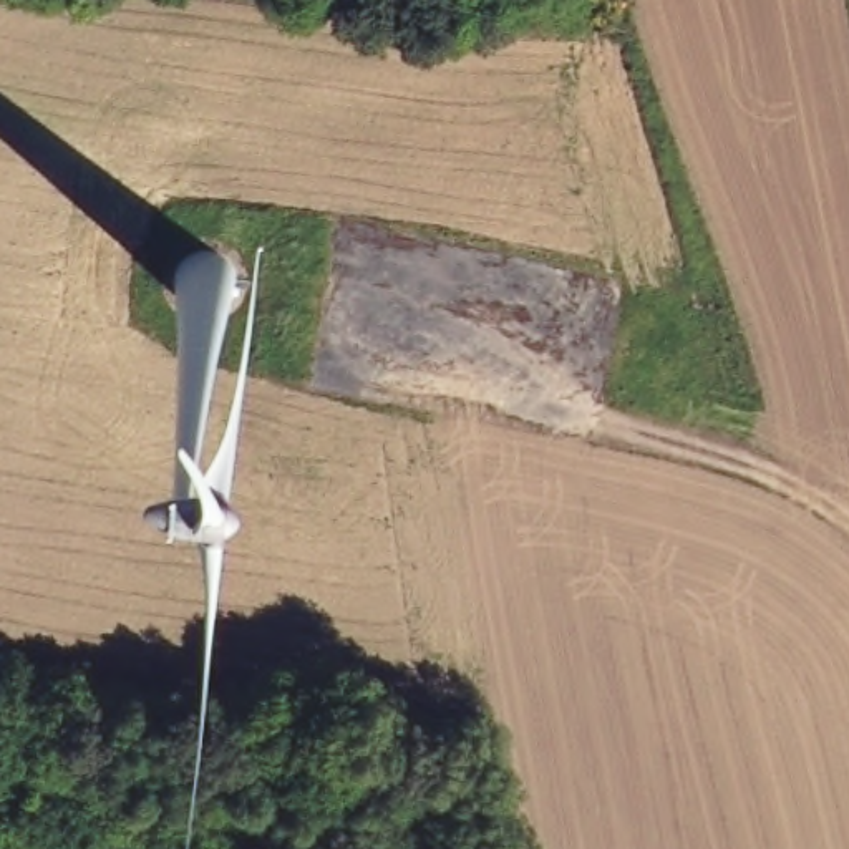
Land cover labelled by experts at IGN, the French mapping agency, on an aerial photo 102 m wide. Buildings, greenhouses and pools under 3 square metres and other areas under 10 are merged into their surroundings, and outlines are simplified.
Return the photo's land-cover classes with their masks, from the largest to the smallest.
<instances>
[{"label":"agricultural land","instance_id":"1","mask_svg":"<svg viewBox=\"0 0 849 849\"><path fill-rule=\"evenodd\" d=\"M637 36L647 53L653 83L660 90V103L673 129L680 159L686 166V179L713 235L730 285V298L736 305V318L743 325L763 391V408L756 411L753 438H746L743 448L759 461L750 474H736L716 464L663 454L594 431H587V448H580L464 418L431 425L345 408L325 398H308L269 378H249L219 368V378L206 375L202 385L196 448L192 454L182 451L176 441L179 361L129 322L133 262L146 269L163 289H172L179 265L199 255L202 245V239L166 219L159 202L242 199L315 212H358L448 226L474 235H491L511 245H534L597 259L604 262V279L617 282L620 295L630 289L660 285L657 269H667L677 255V239L670 229L653 156L643 136V123L637 113V99L620 63V50L610 40L521 36L484 56L468 53L448 60L434 66H411L401 60L398 50L361 56L352 43H342L332 33V23L302 36L282 33L275 20L265 17L255 3L239 0H119L113 10L99 13L96 23H76L66 13L43 17L27 10H7L0 3V686L13 670L30 663L33 703L56 680L83 673L106 720L123 726L126 720L143 716L146 730L156 740H169L176 726L189 723L199 713V706H209V700L219 703L226 723L242 730L262 710V703H272L275 696L295 700L305 686H335V677L352 670L361 673L368 683L378 680L398 700L401 716H411L425 726L431 753L438 746L461 743V733L491 710L497 726H504L507 733V766L517 786L524 789L517 816L534 829L541 849H849V0H637Z\"/></svg>","mask_w":849,"mask_h":849},{"label":"deciduous trees","instance_id":"2","mask_svg":"<svg viewBox=\"0 0 849 849\"><path fill-rule=\"evenodd\" d=\"M0 3L7 10H27L43 17L66 13L76 23H96L99 13L113 10L119 0H0ZM255 3L265 17L275 20L282 33L302 36L332 23V33L342 43H352L361 56L398 50L401 60L411 66H434L448 60L444 53L451 50L464 23H478L481 13H491L497 20L504 10H527L544 0H239ZM30 663L13 670L0 686V849H541L534 829L517 816L524 789L517 786L507 766V733L504 726H497L491 710L461 733V743L438 746L431 753L425 726L411 716H401L398 700L378 680L368 683L361 673L352 670L335 677V686H305L295 700L275 696L272 703H262V710L242 730L226 723L219 703L209 700V706H199V713L189 723L176 726L169 740H156L146 730L143 716L126 720L123 726L106 720L83 673L56 680L33 703Z\"/></svg>","mask_w":849,"mask_h":849},{"label":"herbaceous vegetation","instance_id":"3","mask_svg":"<svg viewBox=\"0 0 849 849\"><path fill-rule=\"evenodd\" d=\"M637 0H544L527 10H504L497 20L491 13H481L478 23H464L451 50L444 53L448 60L468 53L484 56L521 36L610 40L620 50V63L637 99V113L643 123V136L653 156L670 229L677 239V255L667 269H657L660 285L630 289L620 295V325L614 335L610 378L604 381L600 405L743 448L746 438H753L756 411L763 408V391L743 325L736 318V305L730 298V285L713 235L686 179V166L680 159L673 129L660 103V90L653 83L647 53L637 36ZM166 219L202 239V245L199 255L179 265L172 289H163L146 269L133 262L129 322L179 361L176 441L182 451L192 454L196 448L202 385L206 375L219 378V368L249 378H269L308 398H325L345 408L431 425V411L425 408L352 398L325 391L312 381L332 245L338 252L371 245L398 252H438L441 245H454L468 252H497L507 259H531L564 269L584 289L590 279H604V262L597 259L534 245H511L491 235H474L448 226L358 212H315L242 199L159 202Z\"/></svg>","mask_w":849,"mask_h":849},{"label":"pervious surface","instance_id":"4","mask_svg":"<svg viewBox=\"0 0 849 849\"><path fill-rule=\"evenodd\" d=\"M620 325V295L617 282L604 279H590L584 289L564 269L531 259H507L497 252H468L454 245H441L438 252H398L371 245L338 252L332 245L312 381L325 391L352 398L425 408L431 411V425L464 418L580 448H587V431H594L663 454L716 464L736 474H750L759 461L743 448L600 405L604 381L610 378L614 335Z\"/></svg>","mask_w":849,"mask_h":849}]
</instances>
